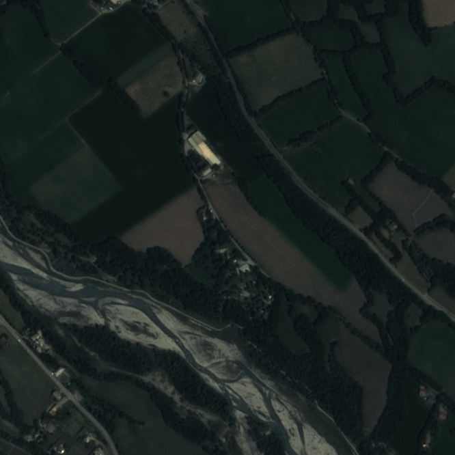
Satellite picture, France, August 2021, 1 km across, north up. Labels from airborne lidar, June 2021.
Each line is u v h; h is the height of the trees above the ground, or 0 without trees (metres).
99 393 0
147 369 6
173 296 13
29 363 0
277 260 0
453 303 0
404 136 0
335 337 0
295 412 0
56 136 0
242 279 10
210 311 16
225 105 21
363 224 0
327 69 14
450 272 18
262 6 0
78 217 0
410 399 0
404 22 0
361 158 0
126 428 0
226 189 0
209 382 0
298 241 0
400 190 0
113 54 0
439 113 0
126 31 0
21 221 12
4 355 0
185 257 0
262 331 23
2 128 0
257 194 0
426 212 0
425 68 0
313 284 0
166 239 0
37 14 17
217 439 15
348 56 16
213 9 0
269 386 0
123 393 0
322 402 13
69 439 0
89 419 0
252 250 0
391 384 15
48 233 13
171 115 0
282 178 23
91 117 0
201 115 0
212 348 0
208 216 19
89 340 7
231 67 11
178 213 0
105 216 0
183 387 13
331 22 19
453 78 0
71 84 0
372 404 0
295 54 0
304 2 0
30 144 0
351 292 0
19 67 0
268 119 0
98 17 0
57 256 22
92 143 0
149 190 0
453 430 6
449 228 16
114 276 11
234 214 0
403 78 0
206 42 6
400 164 16
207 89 0
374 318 11
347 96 0
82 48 0
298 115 0
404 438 0
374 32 0
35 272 0
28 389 0
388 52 13
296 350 0
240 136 20
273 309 18
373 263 18
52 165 0
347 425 13
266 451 23
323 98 0
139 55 0
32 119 0
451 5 0
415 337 0
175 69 0
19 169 0
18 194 0
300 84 0
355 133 0
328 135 0
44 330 19
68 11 0
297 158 0
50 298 0
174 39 13
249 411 0
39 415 0
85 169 0
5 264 0
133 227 0
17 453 0
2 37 14
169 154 0
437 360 0
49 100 0
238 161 0
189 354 0
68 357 18
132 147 0
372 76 0
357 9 12
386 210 15
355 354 0
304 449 0
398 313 18
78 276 0
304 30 14
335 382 19
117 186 0
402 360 21
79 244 18
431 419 11
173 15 0
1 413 12
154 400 14
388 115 0
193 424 16
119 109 0
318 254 0
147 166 0
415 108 0
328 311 17
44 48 0
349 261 20
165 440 0
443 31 0
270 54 0
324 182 0
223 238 20
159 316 0
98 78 18
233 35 0
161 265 23
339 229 25
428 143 0
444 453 0
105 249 17
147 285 0
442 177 0
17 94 0
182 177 0
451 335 0
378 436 16
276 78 0
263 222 0
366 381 0
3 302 0
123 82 0
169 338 0
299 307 0
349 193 9
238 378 0
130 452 0
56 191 0
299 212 27
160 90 0
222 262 14
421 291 0
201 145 0
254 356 10
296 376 15
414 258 12
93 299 0
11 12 0
